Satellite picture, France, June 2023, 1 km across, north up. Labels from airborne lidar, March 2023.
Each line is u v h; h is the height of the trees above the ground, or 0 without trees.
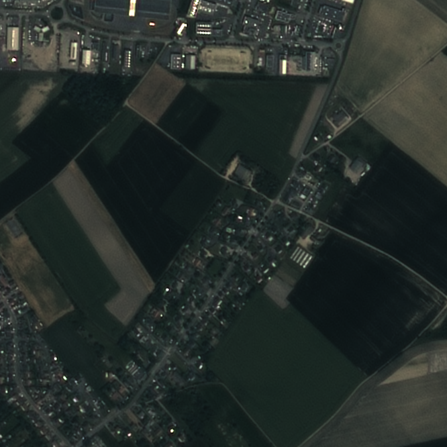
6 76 0
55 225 0
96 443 0
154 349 0
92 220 0
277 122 0
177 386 6
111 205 0
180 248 0
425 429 0
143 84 0
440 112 0
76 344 0
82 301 0
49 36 0
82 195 0
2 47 0
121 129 0
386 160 0
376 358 0
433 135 0
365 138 0
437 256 0
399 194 0
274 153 0
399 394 0
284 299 0
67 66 0
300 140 0
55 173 0
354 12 0
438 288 0
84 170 0
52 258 0
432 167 0
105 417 0
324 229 0
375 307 0
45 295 0
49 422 0
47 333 0
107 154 0
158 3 0
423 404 0
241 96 0
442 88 0
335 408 0
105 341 0
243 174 0
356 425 0
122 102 13
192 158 0
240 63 0
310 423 0
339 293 0
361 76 0
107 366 0
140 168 0
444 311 0
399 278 0
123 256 0
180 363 0
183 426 0
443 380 0
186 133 0
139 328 0
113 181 0
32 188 0
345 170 0
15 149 0
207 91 0
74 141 0
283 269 0
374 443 0
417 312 0
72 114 0
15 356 0
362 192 0
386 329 0
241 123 0
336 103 0
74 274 0
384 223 0
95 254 0
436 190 0
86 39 0
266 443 0
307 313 0
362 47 0
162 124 0
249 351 0
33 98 0
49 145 0
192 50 0
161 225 0
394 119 0
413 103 0
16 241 0
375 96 0
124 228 0
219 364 0
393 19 0
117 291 0
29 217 0
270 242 0
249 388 0
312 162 0
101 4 0
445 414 0
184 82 0
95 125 0
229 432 0
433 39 0
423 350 0
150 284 0
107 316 0
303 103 0
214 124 0
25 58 0
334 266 0
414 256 0
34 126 0
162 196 0
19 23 0
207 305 0
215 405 0
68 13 0
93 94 8
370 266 0
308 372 0
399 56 0
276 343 0
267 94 0
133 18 0
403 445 0
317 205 0
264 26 0
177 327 0
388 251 0
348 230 0
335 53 0
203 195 0
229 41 0
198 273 8
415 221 0
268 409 0
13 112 0
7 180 0
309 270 0
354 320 0
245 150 0
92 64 0
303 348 0
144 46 0
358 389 0
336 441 0
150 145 0
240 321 0
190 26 0
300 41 0
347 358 0
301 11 0
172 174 0
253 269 6
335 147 0
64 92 9
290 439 0
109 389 13
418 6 0
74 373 0
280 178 0
